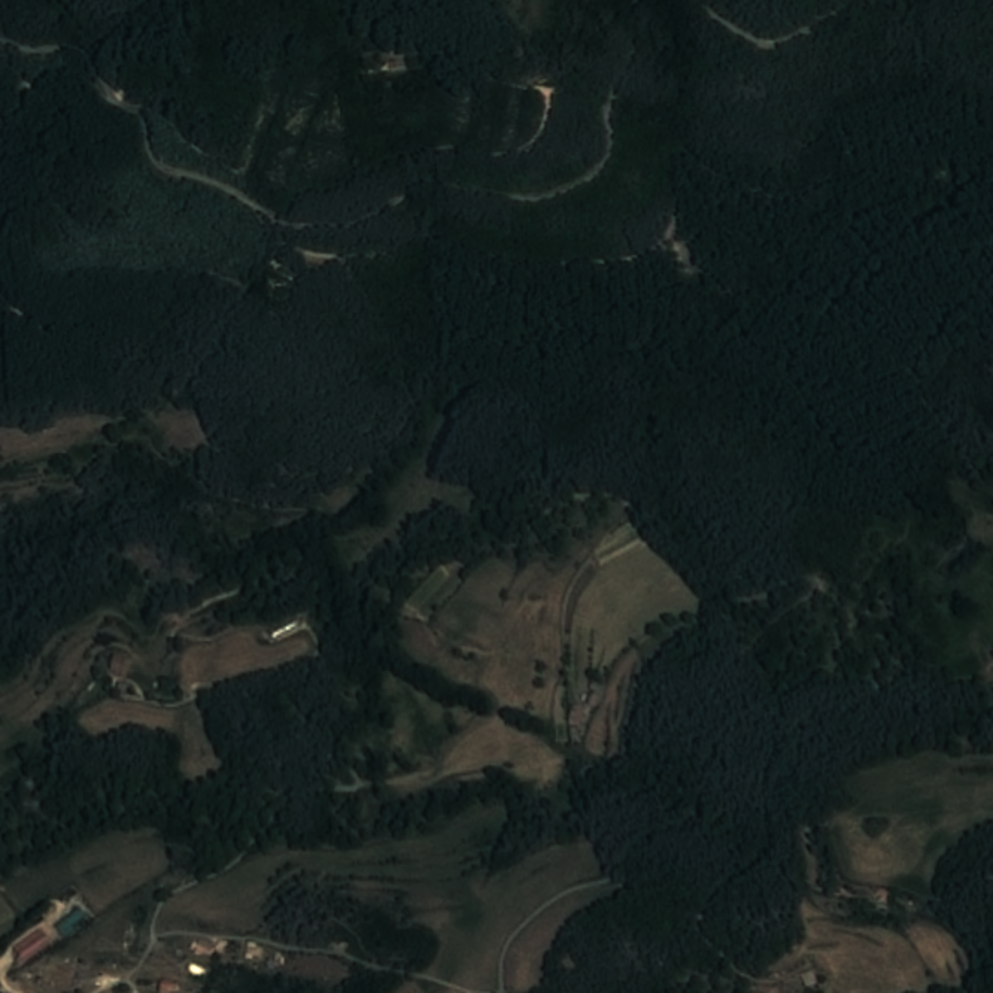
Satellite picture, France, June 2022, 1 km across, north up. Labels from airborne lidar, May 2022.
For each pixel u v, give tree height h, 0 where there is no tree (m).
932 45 18
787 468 18
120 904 0
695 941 15
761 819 24
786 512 18
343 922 7
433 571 9
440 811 14
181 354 21
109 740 16
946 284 26
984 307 27
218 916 0
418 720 0
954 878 18
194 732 0
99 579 17
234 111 11
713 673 23
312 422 18
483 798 12
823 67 13
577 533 7
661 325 21
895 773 0
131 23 20
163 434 0
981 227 29
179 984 0
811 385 24
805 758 19
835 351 25
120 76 9
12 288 25
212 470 16
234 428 18
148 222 13
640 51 17
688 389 20
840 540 20
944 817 0
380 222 18
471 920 0
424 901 0
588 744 0
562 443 20
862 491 30
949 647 0
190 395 14
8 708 0
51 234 16
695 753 24
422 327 14
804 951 0
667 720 20
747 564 22
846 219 24
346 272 15
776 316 27
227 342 24
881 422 21
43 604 20
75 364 26
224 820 18
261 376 16
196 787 19
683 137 21
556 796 0
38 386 22
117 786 18
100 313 32
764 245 18
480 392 31
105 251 12
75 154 22
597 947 17
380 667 13
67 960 0
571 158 7
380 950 10
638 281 22
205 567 14
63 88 26
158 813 18
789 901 21
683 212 23
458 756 0
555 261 11
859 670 13
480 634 0
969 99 19
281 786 14
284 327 13
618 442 24
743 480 16
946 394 14
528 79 16
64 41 18
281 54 10
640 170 7
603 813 23
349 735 16
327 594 13
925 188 20
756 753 19
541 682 8
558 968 15
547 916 0
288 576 11
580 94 16
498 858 10
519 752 0
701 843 24
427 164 12
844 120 28
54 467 13
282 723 18
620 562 0
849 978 0
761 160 20
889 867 0
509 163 13
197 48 11
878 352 23
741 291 21
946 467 16
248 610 7
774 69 12
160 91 13
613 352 26
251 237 16
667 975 16
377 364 14
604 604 0
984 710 17
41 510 10
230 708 17
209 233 14
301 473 7
